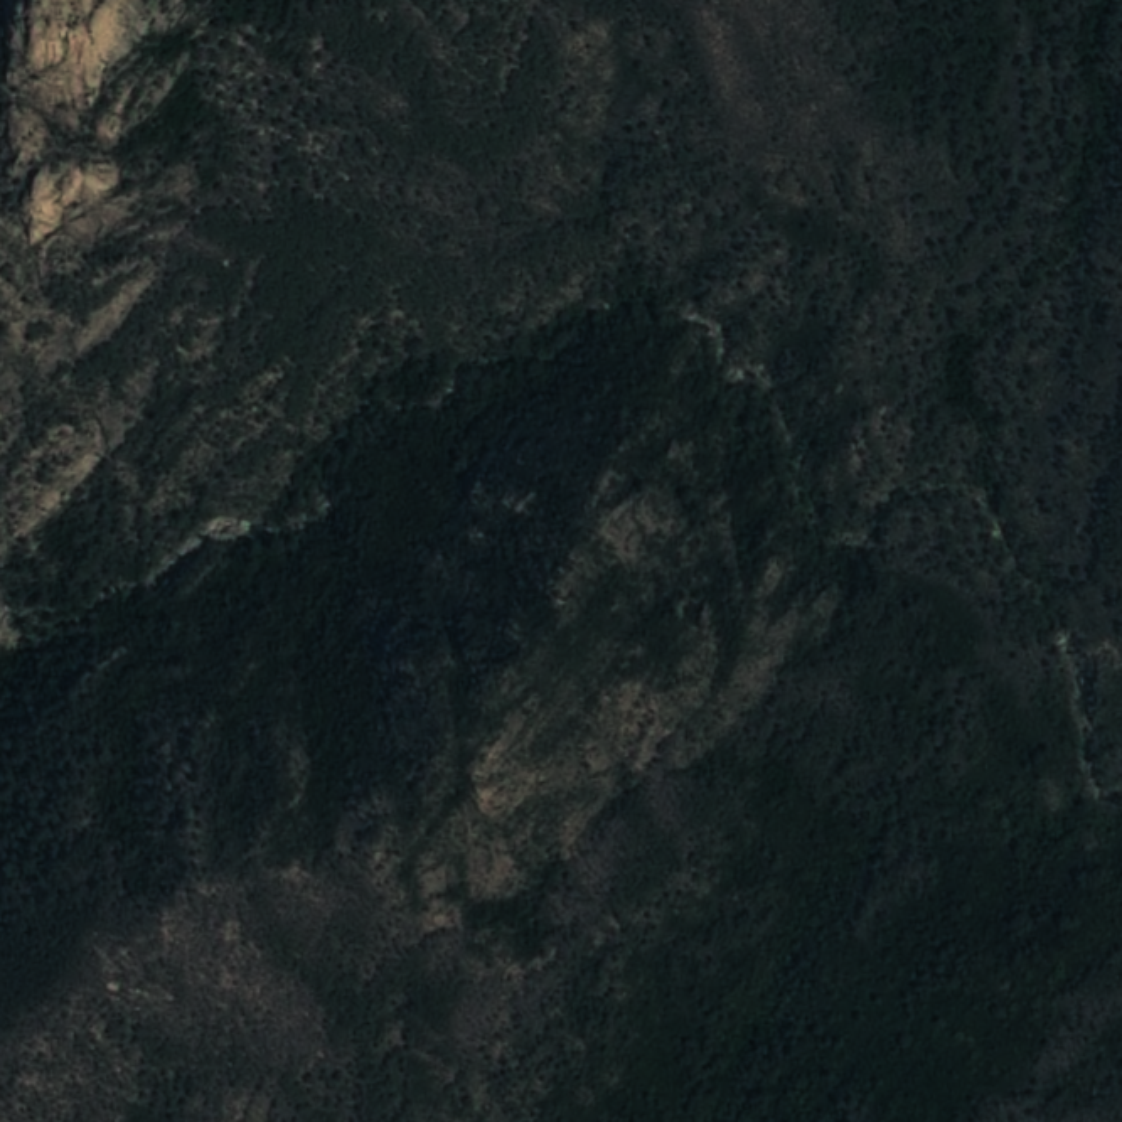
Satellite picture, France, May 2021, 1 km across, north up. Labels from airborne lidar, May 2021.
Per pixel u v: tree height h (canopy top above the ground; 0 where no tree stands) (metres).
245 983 16
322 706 12
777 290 15
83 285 15
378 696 7
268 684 12
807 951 9
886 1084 9
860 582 14
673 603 17
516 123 18
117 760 9
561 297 17
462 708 7
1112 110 16
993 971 10
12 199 17
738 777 7
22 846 9
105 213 0
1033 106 21
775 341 7
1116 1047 8
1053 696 9
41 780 13
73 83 0
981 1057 7
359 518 14
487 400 15
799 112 12
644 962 7
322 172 24
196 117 13
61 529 12
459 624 10
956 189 7
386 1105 17
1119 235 26
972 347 15
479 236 17
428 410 14
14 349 0
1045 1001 7
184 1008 19
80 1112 16
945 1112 8
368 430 27
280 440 12
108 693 12
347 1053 17
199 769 28
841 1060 8
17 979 23
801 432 8
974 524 19
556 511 7
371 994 17
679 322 8
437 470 17
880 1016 7
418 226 24
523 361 16
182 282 12
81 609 15
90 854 21
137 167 8
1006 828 8
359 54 23
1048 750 21
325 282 17
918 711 7
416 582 9
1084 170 17
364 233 20
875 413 12
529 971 6
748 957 13
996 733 11
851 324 18
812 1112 11
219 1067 17
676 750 22
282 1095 19
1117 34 26
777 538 11
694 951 19
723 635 9
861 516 24
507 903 14
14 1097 17
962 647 7
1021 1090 6
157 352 16
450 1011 24
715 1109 16
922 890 17
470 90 14
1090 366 6
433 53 15
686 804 28
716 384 10
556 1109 14
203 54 28
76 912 17
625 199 22
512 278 13
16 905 22
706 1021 10
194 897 16
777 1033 10
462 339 23
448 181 19
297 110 9
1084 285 23
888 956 13
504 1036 15
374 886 16
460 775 6
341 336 17
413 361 15
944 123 24
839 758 11
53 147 15
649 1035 9
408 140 21
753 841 7
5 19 12
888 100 14
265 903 20
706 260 8
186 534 12
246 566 22
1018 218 27
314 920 21
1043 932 12
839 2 13
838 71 13
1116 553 25
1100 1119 26
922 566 6
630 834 26
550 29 19
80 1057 14
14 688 12
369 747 7
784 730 20
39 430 20
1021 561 25
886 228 14
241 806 10
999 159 19
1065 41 21
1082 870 8
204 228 22
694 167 14
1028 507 21
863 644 22
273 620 13
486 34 16
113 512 16
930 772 8
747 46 13
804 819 7
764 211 9
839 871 14
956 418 10
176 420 17
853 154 12
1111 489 26
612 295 26
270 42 8
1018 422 19
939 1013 6
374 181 21
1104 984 25
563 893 22
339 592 15
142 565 23
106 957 15
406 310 24
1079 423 16
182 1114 11
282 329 20
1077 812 8
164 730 19
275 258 23
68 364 19
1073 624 20
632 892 21
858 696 19
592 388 9
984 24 21
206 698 9
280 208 18
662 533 9
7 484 20
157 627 20
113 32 0
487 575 7
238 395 14
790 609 6
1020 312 21
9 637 0
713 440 8
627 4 16
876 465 18
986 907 6
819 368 13
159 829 18
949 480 24
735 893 12
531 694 10
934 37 26
